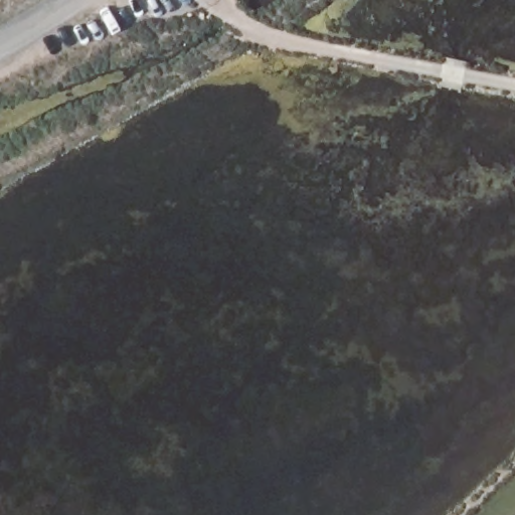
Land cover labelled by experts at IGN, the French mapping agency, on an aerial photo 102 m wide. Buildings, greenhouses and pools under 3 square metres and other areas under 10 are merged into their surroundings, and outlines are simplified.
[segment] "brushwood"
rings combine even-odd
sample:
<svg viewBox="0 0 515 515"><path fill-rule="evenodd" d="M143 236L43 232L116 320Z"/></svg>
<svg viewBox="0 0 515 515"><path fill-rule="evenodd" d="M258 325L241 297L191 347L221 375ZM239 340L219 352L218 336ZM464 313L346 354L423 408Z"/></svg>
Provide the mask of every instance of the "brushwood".
<svg viewBox="0 0 515 515"><path fill-rule="evenodd" d="M475 489L471 489L461 503L449 509L447 515L469 515L473 507L483 505L487 495L493 493L495 487L499 487L505 481L509 473L515 471L515 449L499 465L499 469L483 477L483 481Z"/></svg>
<svg viewBox="0 0 515 515"><path fill-rule="evenodd" d="M161 99L165 91L179 87L181 82L187 82L189 78L213 70L217 66L217 60L211 60L207 54L195 58L191 48L209 42L211 38L217 38L221 34L223 22L217 16L209 20L199 20L199 10L193 10L191 16L135 20L131 28L119 30L131 42L143 42L143 50L139 54L133 54L131 58L115 58L113 54L121 52L119 46L115 42L105 44L91 56L87 64L68 70L58 84L34 91L32 87L18 82L10 95L0 93L0 111L14 109L26 101L42 101L56 93L66 95L64 103L34 117L34 127L22 125L0 135L0 161L4 163L14 157L20 157L22 153L26 153L30 145L40 143L44 137L56 131L70 133L80 125L95 125L105 105L123 103L123 84L127 78L121 76L119 82L113 82L101 91L80 97L72 93L74 87L113 72L123 72L125 66L131 66L135 72L139 74L139 84L131 87L133 93L143 93L147 87L155 87L151 93L153 101Z"/></svg>
<svg viewBox="0 0 515 515"><path fill-rule="evenodd" d="M306 24L322 10L330 8L336 0L272 0L268 6L253 10L249 16L270 28L320 40L322 32L310 30Z"/></svg>

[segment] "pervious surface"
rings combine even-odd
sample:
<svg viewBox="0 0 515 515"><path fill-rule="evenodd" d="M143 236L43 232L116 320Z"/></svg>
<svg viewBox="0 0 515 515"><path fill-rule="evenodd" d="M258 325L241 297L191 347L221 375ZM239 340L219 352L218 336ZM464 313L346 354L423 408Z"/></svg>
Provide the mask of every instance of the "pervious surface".
<svg viewBox="0 0 515 515"><path fill-rule="evenodd" d="M312 52L318 56L358 60L374 64L378 72L406 70L416 74L441 76L445 89L463 89L465 93L515 99L515 76L471 70L461 60L449 58L445 62L426 62L418 58L394 56L352 46L330 44L320 40L270 28L249 16L237 6L237 0L76 0L84 12L72 16L66 22L66 26L60 26L58 36L46 36L40 44L32 46L14 62L0 68L0 78L6 78L26 66L34 66L48 60L52 52L58 52L62 46L78 42L80 46L87 46L89 38L99 38L107 32L117 34L119 30L131 28L135 20L191 16L193 10L199 10L199 20L209 20L217 16L223 22L239 28L241 40L245 42L258 42L270 48Z"/></svg>

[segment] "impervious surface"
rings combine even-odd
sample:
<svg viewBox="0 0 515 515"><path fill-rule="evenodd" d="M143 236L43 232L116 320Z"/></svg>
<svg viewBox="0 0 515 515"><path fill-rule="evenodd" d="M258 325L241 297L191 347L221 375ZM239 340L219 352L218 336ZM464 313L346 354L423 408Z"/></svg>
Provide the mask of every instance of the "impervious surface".
<svg viewBox="0 0 515 515"><path fill-rule="evenodd" d="M58 36L60 26L66 26L66 22L72 16L84 12L76 0L54 0L50 4L42 4L40 10L30 14L28 18L10 22L0 28L0 68L14 62L32 46L40 44L46 36Z"/></svg>

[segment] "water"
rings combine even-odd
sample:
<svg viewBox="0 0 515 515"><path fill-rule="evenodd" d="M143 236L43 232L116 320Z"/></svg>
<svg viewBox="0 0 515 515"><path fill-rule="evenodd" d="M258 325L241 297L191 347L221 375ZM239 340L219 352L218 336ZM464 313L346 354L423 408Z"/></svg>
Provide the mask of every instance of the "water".
<svg viewBox="0 0 515 515"><path fill-rule="evenodd" d="M352 46L394 56L418 58L426 62L445 62L449 58L461 60L467 52L473 52L477 58L481 56L487 62L491 62L493 58L507 58L515 62L515 0L360 0L352 6L350 12L346 12L348 34L356 40Z"/></svg>
<svg viewBox="0 0 515 515"><path fill-rule="evenodd" d="M101 91L113 82L119 82L121 76L127 78L131 78L135 72L131 66L125 66L123 72L113 72L74 87L72 93L80 97Z"/></svg>
<svg viewBox="0 0 515 515"><path fill-rule="evenodd" d="M505 173L515 167L515 99L465 93L463 89L445 89L441 89L435 97L426 99L422 113L418 113L414 121L404 119L400 113L394 113L392 117L374 117L372 121L376 123L376 133L386 135L388 139L386 147L380 147L378 143L368 147L354 147L344 143L316 143L310 141L308 133L294 133L288 125L280 125L280 105L272 101L270 93L258 87L255 82L203 84L189 89L169 99L167 103L131 119L117 139L95 141L82 149L68 151L68 155L58 157L50 167L28 175L26 179L10 187L4 197L0 197L0 515L447 515L449 509L461 503L471 489L475 489L483 481L483 477L499 469L499 465L515 449L515 193L509 191L507 195L497 197L491 205L483 203L479 209L473 209L469 213L469 217L461 219L461 223L445 221L441 215L437 219L437 225L428 233L422 233L422 225L428 221L428 215L435 207L424 207L422 211L412 213L412 221L404 219L402 215L394 217L392 205L382 207L382 211L378 213L364 213L356 211L352 189L356 185L364 187L360 197L362 203L370 207L378 205L380 199L384 199L386 195L396 195L400 187L420 189L424 195L437 199L451 199L457 191L477 193L479 189L479 185L459 181L459 171L469 169L469 159L475 159L485 169L501 165Z"/></svg>
<svg viewBox="0 0 515 515"><path fill-rule="evenodd" d="M237 6L249 16L253 10L268 6L272 0L237 0Z"/></svg>
<svg viewBox="0 0 515 515"><path fill-rule="evenodd" d="M469 515L515 515L515 471L509 473L505 481L499 487L495 487L493 493L487 495L483 505L473 507Z"/></svg>

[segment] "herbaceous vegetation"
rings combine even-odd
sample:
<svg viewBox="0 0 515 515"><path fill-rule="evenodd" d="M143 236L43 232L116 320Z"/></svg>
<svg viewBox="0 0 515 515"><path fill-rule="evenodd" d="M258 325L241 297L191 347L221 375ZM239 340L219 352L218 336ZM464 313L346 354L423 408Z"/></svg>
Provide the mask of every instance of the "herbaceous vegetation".
<svg viewBox="0 0 515 515"><path fill-rule="evenodd" d="M34 117L64 103L66 95L56 93L42 101L26 101L14 109L0 111L0 135L22 125L34 127Z"/></svg>
<svg viewBox="0 0 515 515"><path fill-rule="evenodd" d="M105 44L115 42L119 46L121 52L113 54L115 58L131 58L133 54L139 54L143 50L143 42L131 42L119 30L117 34L107 32L99 38L89 38L87 46L80 46L78 42L62 46L58 52L52 52L48 60L34 66L26 66L6 78L0 78L0 93L10 95L18 82L32 87L34 91L58 84L68 70L87 64L91 56Z"/></svg>
<svg viewBox="0 0 515 515"><path fill-rule="evenodd" d="M422 211L424 207L435 207L428 215L428 221L422 225L422 233L428 233L437 225L437 219L441 215L445 221L461 223L461 219L469 217L469 213L473 209L479 209L483 203L491 205L497 197L507 195L509 191L515 193L515 167L505 173L501 165L485 169L475 159L469 159L469 169L459 171L459 181L479 185L479 189L477 193L457 191L451 199L437 199L424 195L420 189L400 187L396 195L386 195L384 199L380 199L378 205L370 207L362 203L360 197L364 187L356 185L352 189L356 211L364 213L378 213L382 211L382 207L392 205L394 217L402 215L404 219L412 221L412 213Z"/></svg>
<svg viewBox="0 0 515 515"><path fill-rule="evenodd" d="M418 113L422 113L426 99L435 97L441 89L445 89L441 76L416 74L406 70L378 72L374 64L358 60L318 56L312 52L270 48L258 42L245 42L241 40L239 28L223 22L221 34L217 38L211 38L209 42L191 48L195 58L207 54L211 60L217 60L217 66L213 70L189 78L187 82L181 82L179 87L165 91L161 99L153 101L151 93L155 87L147 87L143 93L133 93L131 87L139 84L139 74L135 72L131 78L127 78L123 84L123 103L105 105L95 125L80 125L70 133L56 131L44 137L40 143L30 145L26 153L22 153L20 157L14 157L4 163L0 161L0 197L4 197L10 187L26 179L28 175L50 167L58 157L68 155L68 151L82 149L95 141L117 139L131 119L167 103L169 99L189 89L203 84L255 82L258 87L270 93L272 101L280 105L280 125L288 125L294 133L308 133L310 141L316 143L344 143L354 147L368 147L378 143L380 147L386 147L388 139L386 135L376 133L376 123L372 121L374 117L392 117L394 113L400 113L404 119L414 121Z"/></svg>
<svg viewBox="0 0 515 515"><path fill-rule="evenodd" d="M515 76L515 62L507 58L493 58L491 62L487 62L481 56L477 58L473 52L467 52L461 60L471 70Z"/></svg>
<svg viewBox="0 0 515 515"><path fill-rule="evenodd" d="M42 4L50 4L54 0L0 0L0 28L10 22L28 18L30 14L40 10Z"/></svg>
<svg viewBox="0 0 515 515"><path fill-rule="evenodd" d="M346 12L350 12L352 6L360 0L336 0L330 8L322 10L306 24L310 30L322 32L320 40L330 44L352 46L356 40L348 34Z"/></svg>

